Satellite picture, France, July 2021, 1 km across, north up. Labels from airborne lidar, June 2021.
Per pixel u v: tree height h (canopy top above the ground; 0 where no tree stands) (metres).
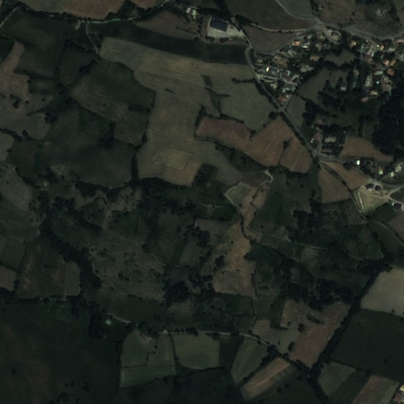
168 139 0
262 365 13
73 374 0
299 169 0
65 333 0
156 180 15
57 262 0
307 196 0
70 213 9
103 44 0
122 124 0
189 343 0
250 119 0
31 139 11
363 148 0
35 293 0
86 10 0
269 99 11
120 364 10
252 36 0
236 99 0
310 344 0
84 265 15
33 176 0
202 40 0
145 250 10
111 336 0
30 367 0
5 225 0
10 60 0
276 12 0
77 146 0
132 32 0
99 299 0
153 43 0
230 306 6
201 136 0
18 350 0
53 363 0
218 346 0
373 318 0
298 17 0
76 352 0
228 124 0
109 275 0
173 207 11
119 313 0
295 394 0
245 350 0
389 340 0
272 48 0
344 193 0
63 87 8
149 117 0
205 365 0
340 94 11
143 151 0
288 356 9
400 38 0
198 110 0
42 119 0
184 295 11
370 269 11
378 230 0
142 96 0
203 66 0
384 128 19
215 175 0
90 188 8
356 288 0
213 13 20
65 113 0
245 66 0
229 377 6
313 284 10
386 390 0
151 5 0
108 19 12
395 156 11
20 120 0
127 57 0
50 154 0
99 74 0
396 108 25
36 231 0
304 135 0
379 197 0
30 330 0
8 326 0
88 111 9
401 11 0
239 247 0
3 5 10
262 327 0
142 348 0
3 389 0
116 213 8
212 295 14
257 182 0
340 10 0
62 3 0
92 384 0
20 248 0
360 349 0
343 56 0
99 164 0
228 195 0
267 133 0
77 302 16
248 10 0
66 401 19
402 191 0
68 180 0
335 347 7
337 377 0
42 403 0
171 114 0
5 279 0
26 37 0
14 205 0
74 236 0
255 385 0
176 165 0
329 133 16
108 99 0
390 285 0
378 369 0
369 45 0
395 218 0
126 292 0
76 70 0
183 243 6
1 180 0
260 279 0
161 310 0
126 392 0
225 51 0
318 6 7
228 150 7
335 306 0
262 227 11
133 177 9
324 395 9
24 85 0
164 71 0
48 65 0
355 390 0
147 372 0
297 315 0
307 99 9
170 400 0
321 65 15
